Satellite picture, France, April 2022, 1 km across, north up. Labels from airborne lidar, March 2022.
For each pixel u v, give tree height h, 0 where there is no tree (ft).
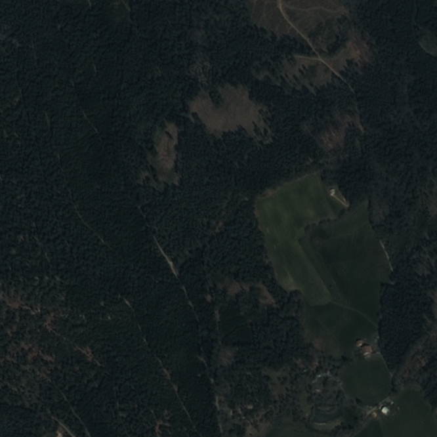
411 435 0
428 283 81
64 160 61
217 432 62
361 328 0
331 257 0
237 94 0
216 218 66
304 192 0
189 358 42
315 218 0
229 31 72
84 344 37
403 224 73
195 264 48
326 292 0
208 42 66
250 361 70
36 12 64
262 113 0
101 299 47
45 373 20
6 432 77
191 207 84
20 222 69
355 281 0
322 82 0
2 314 72
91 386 70
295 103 72
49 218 71
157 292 56
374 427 0
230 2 100
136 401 31
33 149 80
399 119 87
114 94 47
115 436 40
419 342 89
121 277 57
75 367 66
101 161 58
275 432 0
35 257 56
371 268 0
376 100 69
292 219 0
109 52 71
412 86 84
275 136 83
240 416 32
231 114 0
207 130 81
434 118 83
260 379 61
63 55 39
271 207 0
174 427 33
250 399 53
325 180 52
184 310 54
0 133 25
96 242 52
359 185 81
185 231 89
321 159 52
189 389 41
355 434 36
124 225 65
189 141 78
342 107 71
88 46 73
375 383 0
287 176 81
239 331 20
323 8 0
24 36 73
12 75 85
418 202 85
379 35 91
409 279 78
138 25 104
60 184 73
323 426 0
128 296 64
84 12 57
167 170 0
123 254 59
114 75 37
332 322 0
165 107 57
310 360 87
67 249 77
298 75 0
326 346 0
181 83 61
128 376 50
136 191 74
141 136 83
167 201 84
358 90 77
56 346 19
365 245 0
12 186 62
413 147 99
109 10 36
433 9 77
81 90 75
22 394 54
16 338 72
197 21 82
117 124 76
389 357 58
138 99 52
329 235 0
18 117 55
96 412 43
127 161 80
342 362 19
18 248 66
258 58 72
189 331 50
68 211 73
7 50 70
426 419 0
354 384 0
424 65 57
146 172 83
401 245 45
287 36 0
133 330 40
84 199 49
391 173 89
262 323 24
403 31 68
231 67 64
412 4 86
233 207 27
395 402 0
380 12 66
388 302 61
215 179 72
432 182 23
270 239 0
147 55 94
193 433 35
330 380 54
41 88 76
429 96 59
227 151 83
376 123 83
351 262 0
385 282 0
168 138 0
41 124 61
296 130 78
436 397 79
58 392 77
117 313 43
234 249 85
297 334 85
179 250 66
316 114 67
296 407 61
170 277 67
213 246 73
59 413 91
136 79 68
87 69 43
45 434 37
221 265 81
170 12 97
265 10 0
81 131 50
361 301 0
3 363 67
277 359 79
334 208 0
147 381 27
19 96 80
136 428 65
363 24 75
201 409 46
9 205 44
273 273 87
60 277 71
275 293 84
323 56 72
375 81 73
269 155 68
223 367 92
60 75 62
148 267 54
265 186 73
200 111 0
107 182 73
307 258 0
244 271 83
